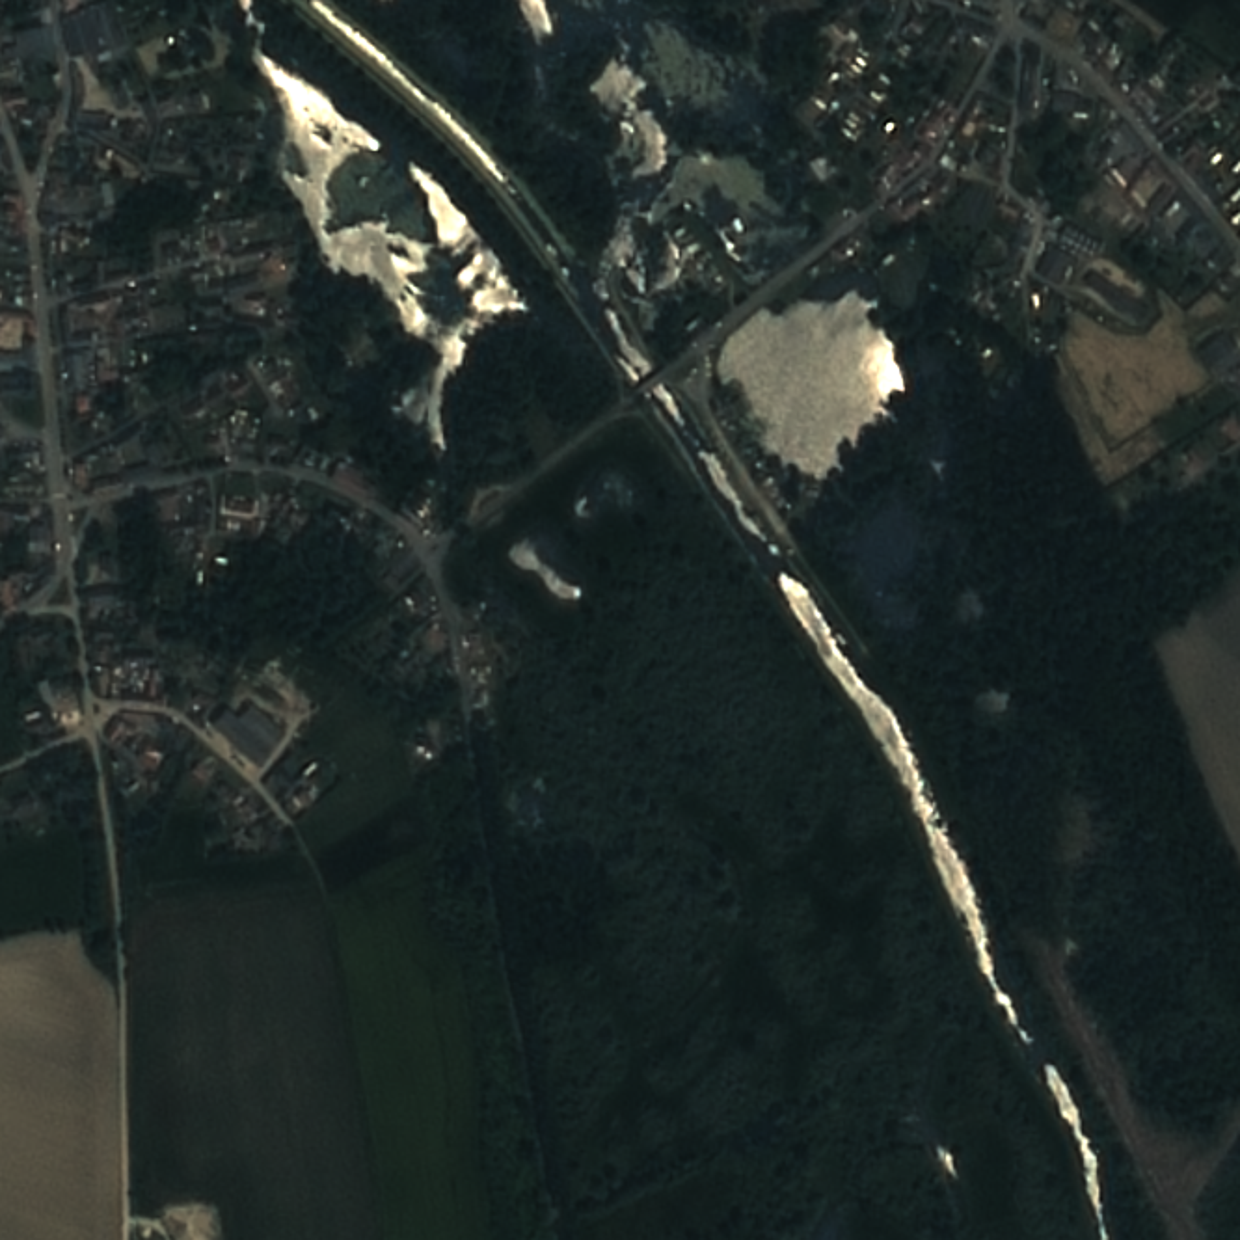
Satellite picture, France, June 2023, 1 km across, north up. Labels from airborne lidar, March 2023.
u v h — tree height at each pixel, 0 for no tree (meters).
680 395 0
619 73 0
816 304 0
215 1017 0
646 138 0
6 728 0
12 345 0
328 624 15
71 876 0
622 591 6
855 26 0
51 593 0
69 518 0
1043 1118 0
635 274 0
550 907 23
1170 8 0
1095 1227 0
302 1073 0
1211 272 0
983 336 11
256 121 8
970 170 0
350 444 0
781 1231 16
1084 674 25
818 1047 6
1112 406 0
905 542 0
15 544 12
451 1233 0
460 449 11
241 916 0
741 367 0
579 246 0
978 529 8
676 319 12
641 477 0
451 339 0
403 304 0
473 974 6
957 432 31
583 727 8
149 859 0
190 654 0
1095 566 25
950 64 8
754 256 0
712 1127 6
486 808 20
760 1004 0
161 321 0
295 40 11
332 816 0
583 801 10
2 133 0
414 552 0
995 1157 0
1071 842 26
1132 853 21
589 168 19
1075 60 0
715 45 11
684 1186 0
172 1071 0
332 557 9
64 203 0
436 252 0
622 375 0
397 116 9
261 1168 0
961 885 0
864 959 0
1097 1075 29
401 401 0
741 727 6
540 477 0
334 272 8
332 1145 0
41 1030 0
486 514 0
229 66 14
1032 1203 7
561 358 14
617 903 6
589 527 0
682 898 8
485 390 15
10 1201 0
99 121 0
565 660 16
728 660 7
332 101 0
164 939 0
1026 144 12
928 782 0
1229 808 0
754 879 0
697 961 14
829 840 0
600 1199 12
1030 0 0
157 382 7
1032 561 32
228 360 12
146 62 0
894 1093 6
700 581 7
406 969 0
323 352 20
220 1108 0
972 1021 12
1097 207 0
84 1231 0
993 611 23
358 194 0
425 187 0
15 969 0
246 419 0
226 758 0
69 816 13
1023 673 21
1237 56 0
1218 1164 25
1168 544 16
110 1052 0
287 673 0
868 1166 7
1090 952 8
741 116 0
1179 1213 30
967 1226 0
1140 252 9
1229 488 17
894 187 0
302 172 0
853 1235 0
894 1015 7
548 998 6
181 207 9
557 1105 7
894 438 25
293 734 0
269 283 0
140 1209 0
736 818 9
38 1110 0
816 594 0
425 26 8
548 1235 7
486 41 32
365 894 0
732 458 0
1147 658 25
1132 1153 26
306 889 0
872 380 0
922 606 10
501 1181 10
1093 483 29
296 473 0
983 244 8
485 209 9
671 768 6
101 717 0
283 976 0
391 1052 0
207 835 10
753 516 0
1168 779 7
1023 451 30
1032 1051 0
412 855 0
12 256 0
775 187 14
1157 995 12
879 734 0
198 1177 0
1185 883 11
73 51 0
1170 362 0
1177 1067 17
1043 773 27
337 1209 0
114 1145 0
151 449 0
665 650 9
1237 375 0
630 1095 0
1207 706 0
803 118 0
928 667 6
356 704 0
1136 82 0
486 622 7
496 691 0
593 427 0
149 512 14
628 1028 0
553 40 0
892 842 0
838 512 20
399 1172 0
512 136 17
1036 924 27
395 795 0
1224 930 10
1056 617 17
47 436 0
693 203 0
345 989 0
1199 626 0
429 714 10
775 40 19
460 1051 0
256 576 7
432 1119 0
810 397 0
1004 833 28
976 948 0
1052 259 0
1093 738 16
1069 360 0
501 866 28
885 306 15
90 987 0
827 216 0
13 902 0
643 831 6
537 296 8
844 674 0
